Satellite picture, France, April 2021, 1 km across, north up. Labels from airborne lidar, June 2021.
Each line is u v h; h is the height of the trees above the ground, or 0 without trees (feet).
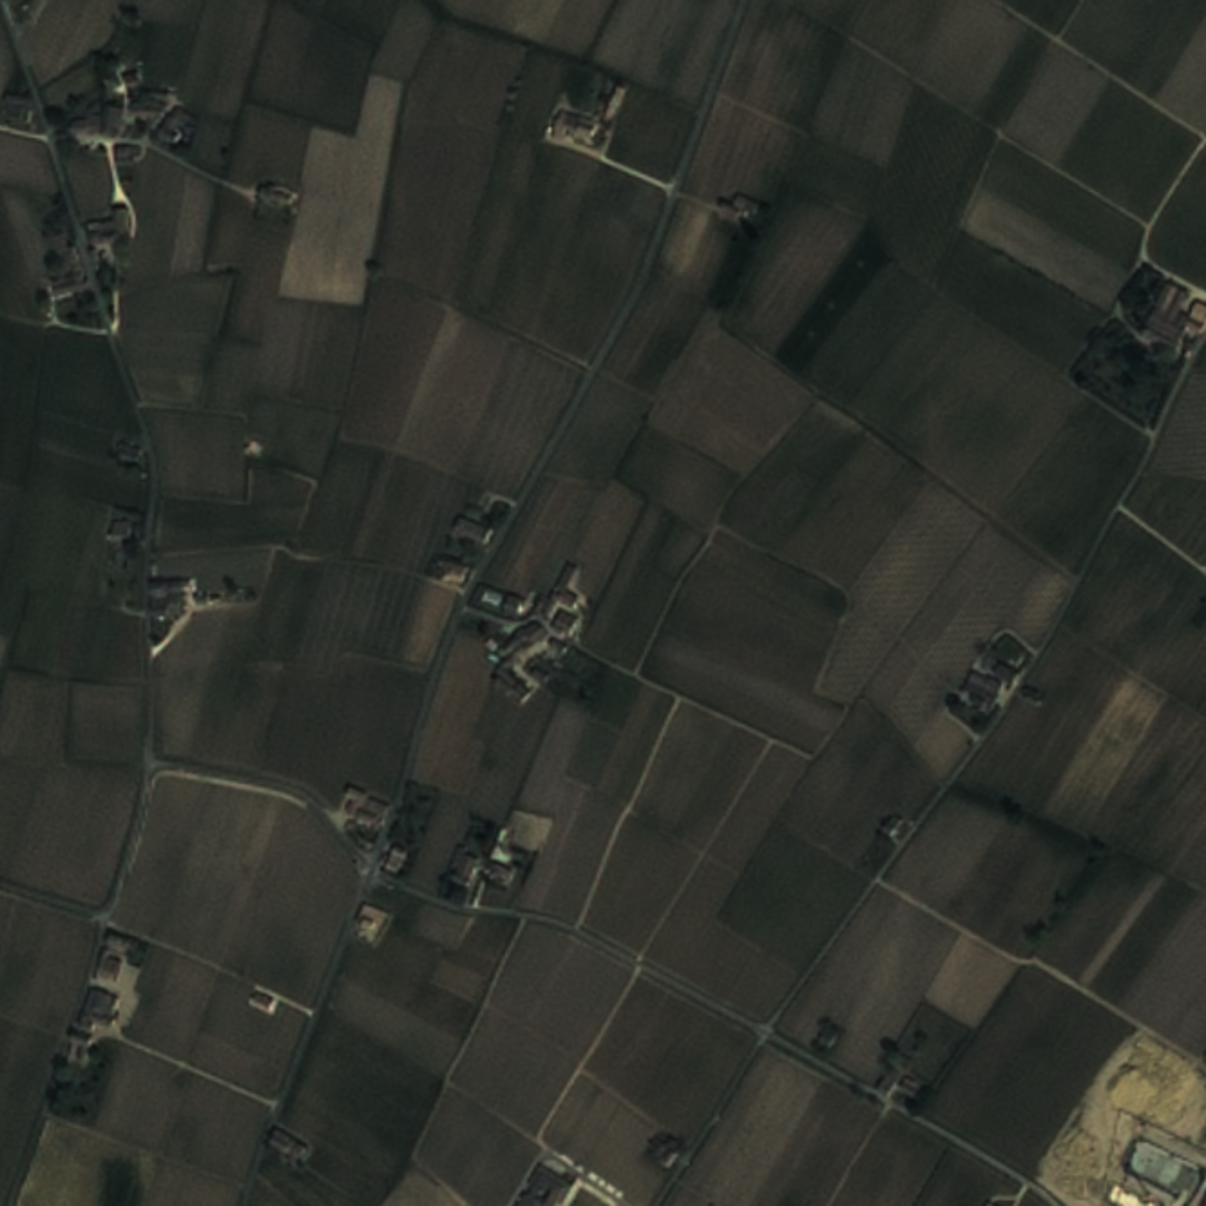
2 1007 0
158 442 0
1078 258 0
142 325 0
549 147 0
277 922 0
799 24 0
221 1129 0
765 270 0
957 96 0
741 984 0
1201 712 0
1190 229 0
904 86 0
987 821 0
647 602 0
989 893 0
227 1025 0
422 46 0
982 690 0
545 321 0
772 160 0
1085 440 0
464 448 0
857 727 0
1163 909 0
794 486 0
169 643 0
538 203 0
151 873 0
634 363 0
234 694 0
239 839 0
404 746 0
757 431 0
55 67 0
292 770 0
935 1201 0
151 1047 0
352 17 0
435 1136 0
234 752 0
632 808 0
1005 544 0
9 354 0
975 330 0
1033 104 0
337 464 0
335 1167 0
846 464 0
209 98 0
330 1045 0
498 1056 0
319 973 0
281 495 0
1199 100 0
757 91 0
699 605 0
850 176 0
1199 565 0
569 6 0
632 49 0
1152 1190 0
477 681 0
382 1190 0
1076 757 0
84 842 0
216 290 0
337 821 0
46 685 0
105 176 0
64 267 50
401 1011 0
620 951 0
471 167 0
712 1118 0
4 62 0
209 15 0
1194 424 0
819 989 0
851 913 0
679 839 0
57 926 0
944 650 0
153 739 0
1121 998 0
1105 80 0
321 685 0
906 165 0
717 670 0
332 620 0
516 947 0
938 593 0
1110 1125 0
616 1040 0
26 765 0
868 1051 0
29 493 0
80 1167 0
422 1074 0
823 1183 0
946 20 0
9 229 0
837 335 0
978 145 0
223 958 0
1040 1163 0
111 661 0
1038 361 0
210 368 0
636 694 0
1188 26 0
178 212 0
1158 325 0
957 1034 0
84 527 0
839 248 0
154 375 0
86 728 0
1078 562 0
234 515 0
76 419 0
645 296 0
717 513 0
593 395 0
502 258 0
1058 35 0
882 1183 0
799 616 0
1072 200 0
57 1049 0
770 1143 0
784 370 0
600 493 0
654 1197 0
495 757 0
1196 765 0
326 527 0
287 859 0
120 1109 0
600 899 0
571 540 0
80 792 0
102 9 0
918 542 0
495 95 0
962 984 0
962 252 0
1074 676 0
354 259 0
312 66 0
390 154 0
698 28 0
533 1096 0
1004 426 0
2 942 0
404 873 33
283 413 0
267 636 0
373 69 0
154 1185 0
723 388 0
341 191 0
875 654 0
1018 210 0
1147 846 0
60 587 0
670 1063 0
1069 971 0
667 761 0
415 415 0
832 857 0
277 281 0
